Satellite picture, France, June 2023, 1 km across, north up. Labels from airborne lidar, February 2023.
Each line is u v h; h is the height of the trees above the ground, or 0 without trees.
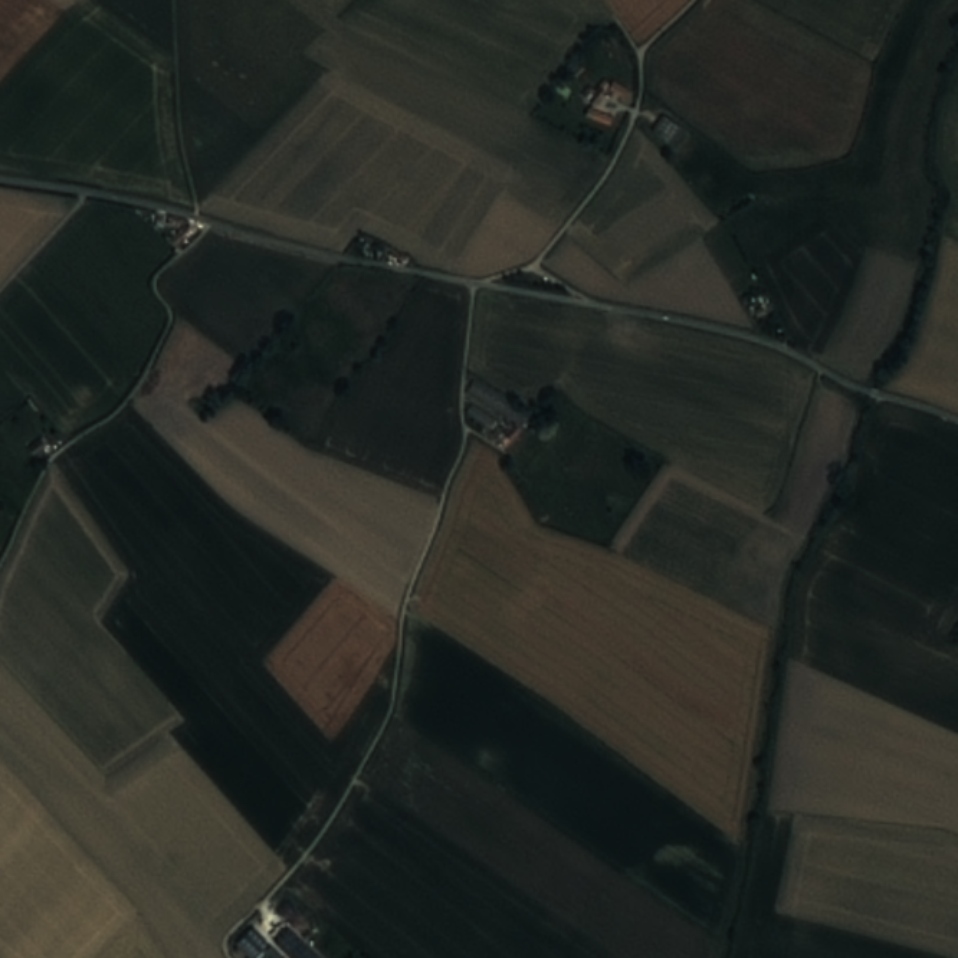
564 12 0
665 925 0
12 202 0
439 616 0
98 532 0
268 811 0
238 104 0
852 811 0
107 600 0
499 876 0
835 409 0
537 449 0
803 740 0
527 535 0
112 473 0
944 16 0
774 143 0
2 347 0
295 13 0
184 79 0
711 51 0
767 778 0
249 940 0
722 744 0
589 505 0
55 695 0
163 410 0
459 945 0
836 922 0
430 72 0
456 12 0
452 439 0
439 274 0
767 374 0
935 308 0
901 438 0
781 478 0
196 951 0
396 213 0
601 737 0
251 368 15
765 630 0
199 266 0
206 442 0
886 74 0
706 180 0
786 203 0
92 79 0
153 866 0
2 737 0
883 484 0
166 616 0
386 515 0
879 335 0
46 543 0
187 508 0
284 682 0
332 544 0
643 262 0
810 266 0
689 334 0
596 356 0
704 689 0
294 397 0
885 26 0
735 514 0
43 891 0
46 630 0
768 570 0
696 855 0
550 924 0
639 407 0
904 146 0
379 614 0
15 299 0
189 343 0
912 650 0
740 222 0
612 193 0
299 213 0
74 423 0
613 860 0
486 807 0
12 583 0
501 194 0
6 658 0
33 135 0
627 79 0
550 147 0
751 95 0
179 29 0
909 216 0
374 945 0
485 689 0
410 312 0
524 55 0
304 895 0
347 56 0
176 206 0
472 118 0
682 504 0
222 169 0
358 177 0
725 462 0
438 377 0
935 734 0
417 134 0
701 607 0
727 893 0
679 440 0
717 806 0
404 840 0
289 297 0
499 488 0
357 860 0
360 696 0
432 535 0
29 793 0
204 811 0
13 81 0
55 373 0
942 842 0
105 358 0
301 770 0
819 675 0
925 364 0
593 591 0
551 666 0
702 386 0
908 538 0
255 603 0
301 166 0
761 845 0
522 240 0
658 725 0
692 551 0
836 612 0
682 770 0
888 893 0
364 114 0
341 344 0
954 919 0
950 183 0
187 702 0
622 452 0
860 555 0
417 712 0
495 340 0
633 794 0
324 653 0
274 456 0
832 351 0
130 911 0
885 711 0
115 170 0
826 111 0
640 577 0
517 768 0
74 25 0
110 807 0
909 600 0
